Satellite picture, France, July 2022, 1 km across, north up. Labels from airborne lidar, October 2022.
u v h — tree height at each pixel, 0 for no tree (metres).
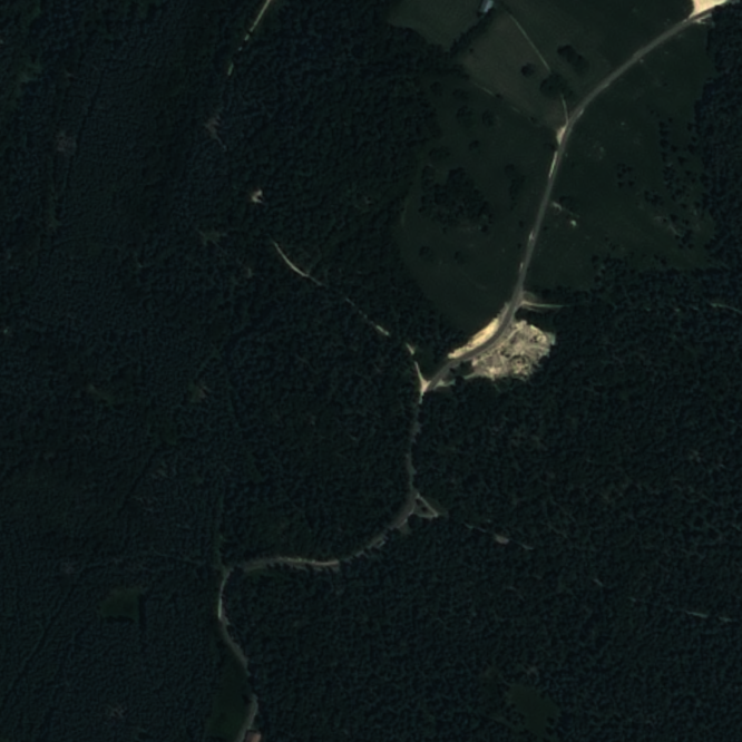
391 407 24
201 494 19
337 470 12
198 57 17
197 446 25
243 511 30
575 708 28
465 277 0
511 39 0
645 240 0
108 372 26
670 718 18
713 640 28
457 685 28
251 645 20
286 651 20
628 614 12
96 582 14
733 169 14
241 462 26
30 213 16
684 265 0
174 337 22
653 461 23
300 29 16
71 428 24
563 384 12
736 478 25
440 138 7
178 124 21
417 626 23
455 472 27
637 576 17
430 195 7
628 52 0
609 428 20
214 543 26
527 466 20
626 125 0
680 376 9
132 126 17
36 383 20
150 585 16
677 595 21
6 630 20
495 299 0
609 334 20
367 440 17
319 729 16
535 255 0
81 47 18
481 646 16
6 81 30
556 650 14
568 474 21
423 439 25
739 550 27
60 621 22
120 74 22
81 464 23
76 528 9
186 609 22
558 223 0
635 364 13
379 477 18
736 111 23
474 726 24
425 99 8
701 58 0
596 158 0
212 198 27
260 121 28
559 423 12
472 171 0
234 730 0
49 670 23
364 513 11
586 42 0
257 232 23
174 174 24
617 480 18
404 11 0
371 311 21
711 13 0
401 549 12
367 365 14
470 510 15
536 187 0
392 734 15
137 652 23
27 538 19
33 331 10
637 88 0
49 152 21
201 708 28
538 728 0
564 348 12
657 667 17
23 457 16
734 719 19
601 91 0
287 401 16
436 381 0
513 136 0
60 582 23
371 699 22
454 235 0
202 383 27
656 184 0
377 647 19
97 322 21
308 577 16
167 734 31
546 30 0
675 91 0
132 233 14
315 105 21
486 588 13
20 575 17
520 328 0
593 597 20
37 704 23
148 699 31
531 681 19
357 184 19
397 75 23
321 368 27
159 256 29
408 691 27
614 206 0
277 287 25
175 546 17
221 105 21
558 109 0
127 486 22
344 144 27
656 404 22
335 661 19
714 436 21
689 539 25
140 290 18
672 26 0
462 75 13
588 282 0
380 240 10
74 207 15
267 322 28
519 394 12
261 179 25
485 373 0
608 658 16
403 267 11
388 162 24
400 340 22
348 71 19
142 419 20
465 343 13
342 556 17
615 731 23
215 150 27
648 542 12
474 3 0
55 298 21
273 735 21
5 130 14
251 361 29
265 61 18
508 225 0
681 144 0
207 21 26
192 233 25
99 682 30
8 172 13
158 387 23
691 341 8
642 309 24
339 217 20
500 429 24
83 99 20
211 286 24
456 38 0
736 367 12
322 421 14
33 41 22
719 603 10
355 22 17
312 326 16
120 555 24
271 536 12
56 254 22
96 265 14
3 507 12
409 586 19
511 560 23
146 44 23
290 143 27
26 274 14
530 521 21
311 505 31
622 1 0
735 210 11
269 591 28
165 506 23
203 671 28
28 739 16
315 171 20
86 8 30
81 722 26
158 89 21
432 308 13
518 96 0
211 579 29
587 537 24
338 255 7
